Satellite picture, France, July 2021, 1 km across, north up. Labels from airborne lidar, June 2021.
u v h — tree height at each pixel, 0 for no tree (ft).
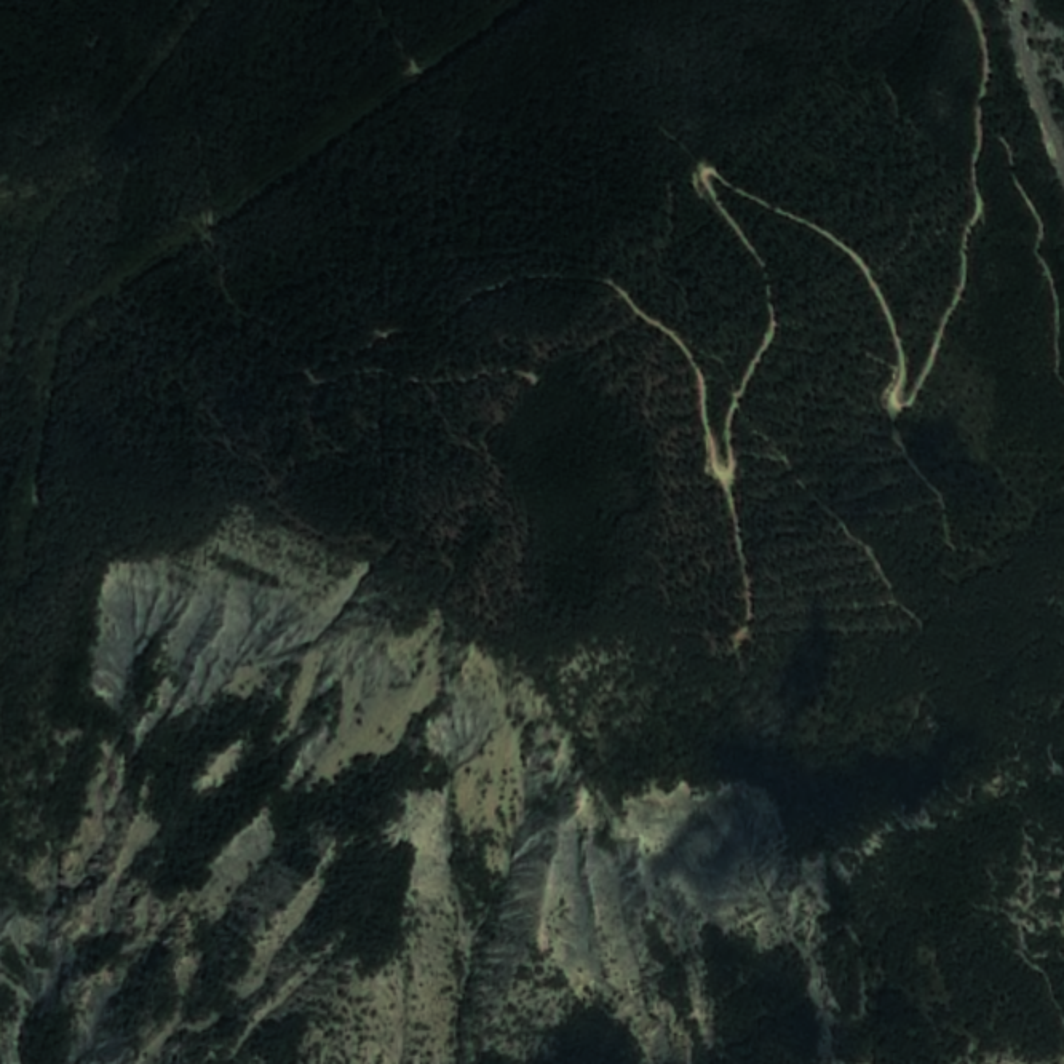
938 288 34
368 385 57
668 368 44
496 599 34
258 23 54
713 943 29
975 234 34
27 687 23
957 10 31
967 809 21
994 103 26
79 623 29
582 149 33
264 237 68
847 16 35
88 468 46
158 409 62
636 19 37
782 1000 27
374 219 67
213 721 35
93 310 36
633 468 50
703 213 23
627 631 28
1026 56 0
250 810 20
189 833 38
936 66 35
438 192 47
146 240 38
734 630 23
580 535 24
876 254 36
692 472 41
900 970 40
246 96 59
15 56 42
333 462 42
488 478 55
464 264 39
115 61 45
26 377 23
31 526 21
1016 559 32
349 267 48
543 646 24
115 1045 0
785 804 27
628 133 41
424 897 0
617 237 46
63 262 31
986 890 18
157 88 43
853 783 36
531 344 53
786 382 40
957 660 27
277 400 50
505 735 0
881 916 19
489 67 58
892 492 27
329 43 76
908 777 24
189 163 43
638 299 28
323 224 63
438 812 0
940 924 31
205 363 44
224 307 59
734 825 0
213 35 58
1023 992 29
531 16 43
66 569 36
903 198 47
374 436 45
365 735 0
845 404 32
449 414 37
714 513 42
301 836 21
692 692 22
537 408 18
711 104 53
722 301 43
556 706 20
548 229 31
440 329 47
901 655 28
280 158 19
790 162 45
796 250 40
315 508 39
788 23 39
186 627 0
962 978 31
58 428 38
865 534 31
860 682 26
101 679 0
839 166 46
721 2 36
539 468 38
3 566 22
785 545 35
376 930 30
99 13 62
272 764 24
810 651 29
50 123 29
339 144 51
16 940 0
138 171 30
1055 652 27
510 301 56
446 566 31
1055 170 18
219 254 45
